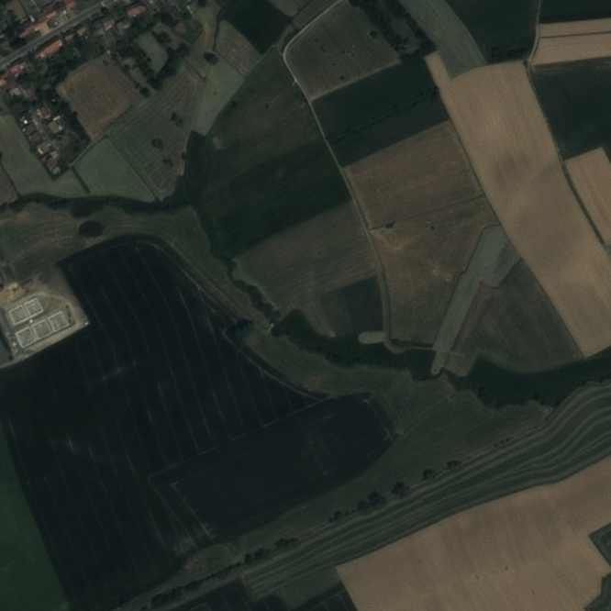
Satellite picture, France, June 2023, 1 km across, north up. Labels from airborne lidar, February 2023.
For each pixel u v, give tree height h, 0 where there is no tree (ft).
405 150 0
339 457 0
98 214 0
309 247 0
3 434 0
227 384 0
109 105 0
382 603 0
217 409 0
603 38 0
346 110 0
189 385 0
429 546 0
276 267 0
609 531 0
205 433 0
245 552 0
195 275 0
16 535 0
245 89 0
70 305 0
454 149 0
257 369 0
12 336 0
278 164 0
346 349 0
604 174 0
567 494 0
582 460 0
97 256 0
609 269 0
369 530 0
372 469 0
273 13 0
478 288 0
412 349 0
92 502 0
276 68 0
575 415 0
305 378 0
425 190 0
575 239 0
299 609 0
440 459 0
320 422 0
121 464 0
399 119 0
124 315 0
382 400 0
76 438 0
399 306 0
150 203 0
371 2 30
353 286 0
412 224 0
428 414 0
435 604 0
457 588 0
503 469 0
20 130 0
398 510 0
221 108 0
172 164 42
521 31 0
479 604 0
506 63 0
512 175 0
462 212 0
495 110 0
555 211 0
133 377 0
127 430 0
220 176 0
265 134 0
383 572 0
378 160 0
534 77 0
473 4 0
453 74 0
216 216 0
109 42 0
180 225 0
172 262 0
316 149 0
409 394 0
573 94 0
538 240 0
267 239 0
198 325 0
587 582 0
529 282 0
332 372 0
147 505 0
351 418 0
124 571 0
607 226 0
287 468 0
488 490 0
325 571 0
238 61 0
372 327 0
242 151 0
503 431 0
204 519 0
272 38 0
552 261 0
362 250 0
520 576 0
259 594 0
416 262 0
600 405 0
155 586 0
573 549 0
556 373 0
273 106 0
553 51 0
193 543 0
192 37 0
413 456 0
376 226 0
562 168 0
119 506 0
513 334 0
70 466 0
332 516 0
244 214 0
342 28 0
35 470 0
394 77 0
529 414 0
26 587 0
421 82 0
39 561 0
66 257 0
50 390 0
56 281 0
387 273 0
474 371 0
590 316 0
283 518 0
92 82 0
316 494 0
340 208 0
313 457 0
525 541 0
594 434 0
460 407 0
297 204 0
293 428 0
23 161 0
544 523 0
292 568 0
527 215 0
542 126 0
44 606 0
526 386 0
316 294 0
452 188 0
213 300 0
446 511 0
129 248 0
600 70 0
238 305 0
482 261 0
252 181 0
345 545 0
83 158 0
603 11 0
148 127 0
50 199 0
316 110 0
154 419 0
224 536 0
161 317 0
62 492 0
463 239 0
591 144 0
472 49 0
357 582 0
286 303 0
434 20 0
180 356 0
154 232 0
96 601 0
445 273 0
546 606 0
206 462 0
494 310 0
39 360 0
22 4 0
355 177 0
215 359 0
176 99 0
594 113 0
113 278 0
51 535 0
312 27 0
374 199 0
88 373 0
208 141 0
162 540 0
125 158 0
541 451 0
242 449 0
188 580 0
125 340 0
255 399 0
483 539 0
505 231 0
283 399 0
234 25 0
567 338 0
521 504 0
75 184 0
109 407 0
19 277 0
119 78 0
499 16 0
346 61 0
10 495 0
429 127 0
